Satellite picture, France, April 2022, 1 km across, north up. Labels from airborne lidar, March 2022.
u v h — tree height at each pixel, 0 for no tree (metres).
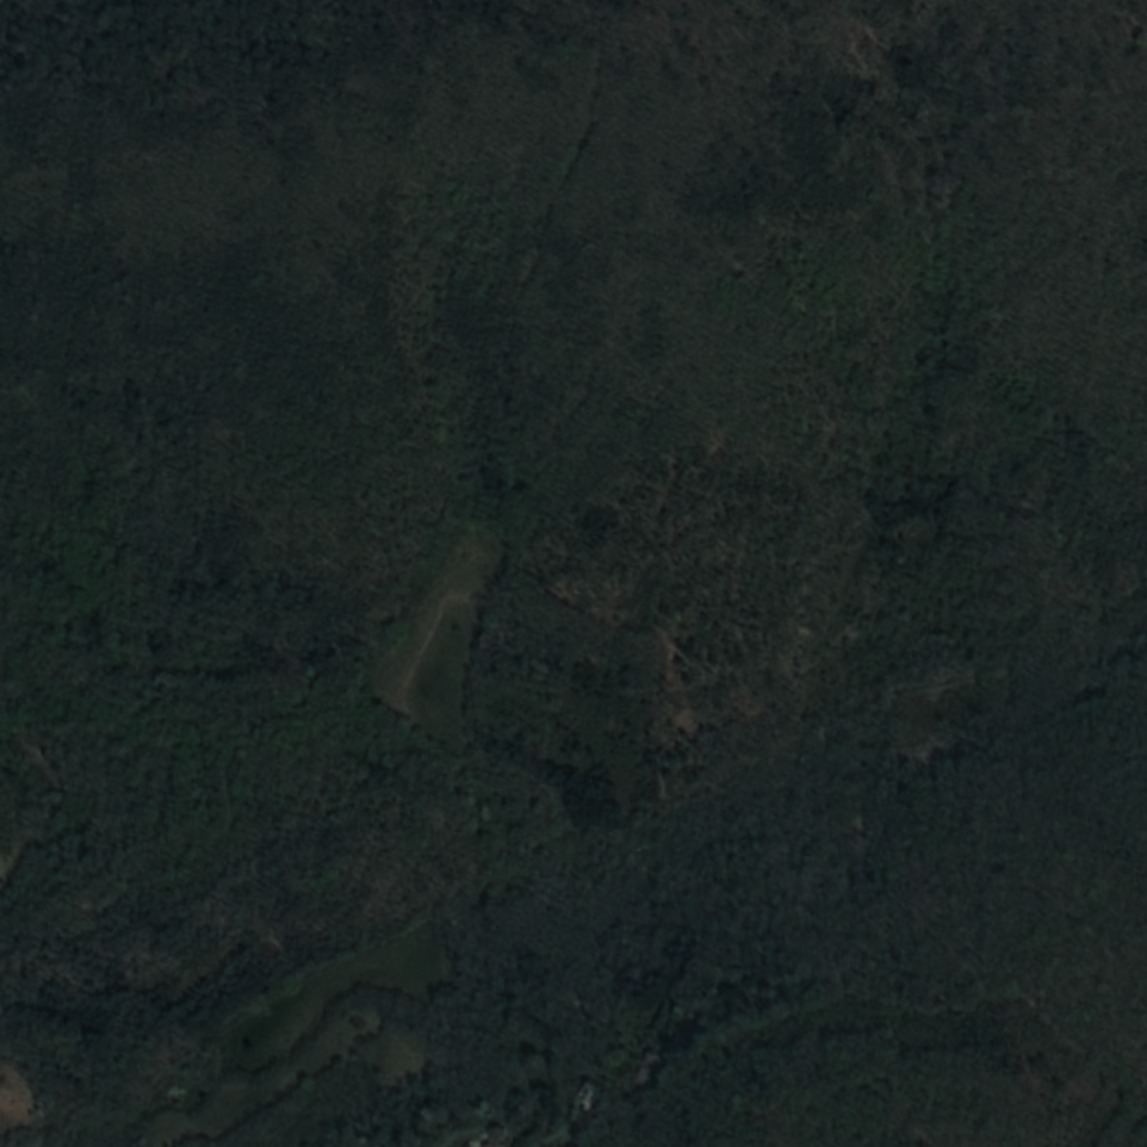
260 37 18
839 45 32
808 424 18
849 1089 18
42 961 14
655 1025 5
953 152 24
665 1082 22
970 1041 10
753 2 22
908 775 15
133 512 19
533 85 22
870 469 11
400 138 22
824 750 17
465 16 25
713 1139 19
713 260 21
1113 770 21
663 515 10
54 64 21
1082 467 21
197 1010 18
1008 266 17
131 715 21
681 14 21
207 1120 0
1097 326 21
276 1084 0
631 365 22
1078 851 19
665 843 17
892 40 31
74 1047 8
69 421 16
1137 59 26
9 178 25
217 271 22
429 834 16
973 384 19
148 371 22
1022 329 17
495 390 20
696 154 23
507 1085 16
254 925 22
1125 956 20
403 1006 19
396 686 0
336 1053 0
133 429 22
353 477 18
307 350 23
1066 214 17
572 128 23
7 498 21
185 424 25
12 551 22
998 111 25
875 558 22
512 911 21
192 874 14
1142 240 18
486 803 9
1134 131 22
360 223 22
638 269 21
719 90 22
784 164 23
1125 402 23
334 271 22
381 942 14
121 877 17
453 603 0
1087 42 23
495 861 23
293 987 18
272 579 14
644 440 20
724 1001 18
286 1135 6
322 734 14
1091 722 24
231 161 23
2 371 23
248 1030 0
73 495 21
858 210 17
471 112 23
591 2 19
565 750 10
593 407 20
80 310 15
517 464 24
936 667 19
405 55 21
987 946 19
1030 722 21
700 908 22
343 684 23
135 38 20
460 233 27
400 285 16
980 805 24
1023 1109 18
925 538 0
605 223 19
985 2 22
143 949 19
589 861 9
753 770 17
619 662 23
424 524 19
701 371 20
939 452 20
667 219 21
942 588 9
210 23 18
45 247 24
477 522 21
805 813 21
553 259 22
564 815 6
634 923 23
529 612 23
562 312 21
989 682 26
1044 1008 17
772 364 21
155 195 25
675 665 10
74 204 23
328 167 22
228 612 24
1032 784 22
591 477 19
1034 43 25
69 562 22
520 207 21
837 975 25
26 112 21
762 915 19
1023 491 27
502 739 23
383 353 15
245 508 18
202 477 19
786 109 23
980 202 19
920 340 24
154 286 23
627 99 24
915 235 22
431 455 19
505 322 18
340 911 19
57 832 10
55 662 13
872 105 30
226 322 21
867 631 15
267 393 19
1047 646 22
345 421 20
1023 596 22
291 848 18
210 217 25
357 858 18
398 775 19
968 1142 15
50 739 19
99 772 24
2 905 18
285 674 19
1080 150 20
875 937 19
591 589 21
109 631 23
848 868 14
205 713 20
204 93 14
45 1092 17
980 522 19
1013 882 21
